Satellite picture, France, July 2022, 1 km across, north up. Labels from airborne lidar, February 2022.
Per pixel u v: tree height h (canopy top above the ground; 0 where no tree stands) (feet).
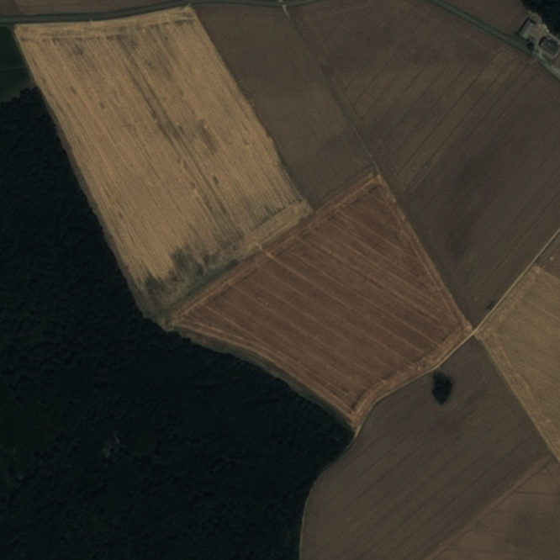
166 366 62
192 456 59
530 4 69
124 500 70
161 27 0
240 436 65
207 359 64
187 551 79
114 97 0
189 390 62
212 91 0
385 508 0
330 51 0
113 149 0
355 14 0
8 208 68
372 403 0
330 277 0
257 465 62
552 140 0
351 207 0
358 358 0
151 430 41
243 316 0
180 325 0
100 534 66
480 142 0
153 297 0
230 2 0
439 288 0
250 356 0
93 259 58
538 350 0
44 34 0
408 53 0
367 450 0
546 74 0
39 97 33
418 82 0
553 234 0
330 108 0
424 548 0
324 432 61
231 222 0
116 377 70
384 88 0
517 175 0
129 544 70
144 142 0
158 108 0
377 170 0
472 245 0
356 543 0
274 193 0
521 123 0
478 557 0
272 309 0
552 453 0
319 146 0
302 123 0
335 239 0
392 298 0
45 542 75
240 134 0
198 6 0
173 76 0
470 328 0
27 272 60
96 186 0
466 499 0
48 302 64
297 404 56
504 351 0
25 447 0
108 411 58
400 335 0
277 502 55
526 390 0
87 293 54
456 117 0
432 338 0
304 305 0
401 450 0
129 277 0
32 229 55
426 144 0
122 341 69
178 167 0
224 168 0
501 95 0
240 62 0
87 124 0
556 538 0
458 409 0
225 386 67
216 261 0
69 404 78
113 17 0
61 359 68
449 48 0
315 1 0
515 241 0
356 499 0
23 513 66
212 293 0
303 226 0
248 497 74
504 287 0
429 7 0
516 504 0
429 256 0
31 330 45
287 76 0
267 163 0
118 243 0
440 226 0
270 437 58
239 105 0
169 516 65
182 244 0
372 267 0
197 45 0
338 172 0
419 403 0
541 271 0
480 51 0
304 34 0
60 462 52
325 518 0
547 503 0
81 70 0
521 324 0
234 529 61
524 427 0
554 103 0
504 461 0
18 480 78
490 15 0
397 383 0
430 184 0
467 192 0
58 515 67
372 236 0
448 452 0
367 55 0
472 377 0
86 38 0
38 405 50
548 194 0
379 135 0
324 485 0
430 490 0
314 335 0
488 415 0
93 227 68
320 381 0
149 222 0
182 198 0
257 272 0
